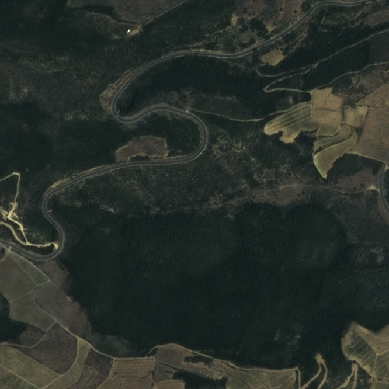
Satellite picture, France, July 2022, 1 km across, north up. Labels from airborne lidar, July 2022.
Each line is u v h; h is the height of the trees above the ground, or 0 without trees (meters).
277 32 6
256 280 7
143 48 8
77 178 0
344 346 0
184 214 11
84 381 0
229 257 8
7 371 0
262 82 9
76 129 5
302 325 7
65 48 6
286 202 0
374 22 0
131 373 0
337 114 0
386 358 0
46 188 6
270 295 6
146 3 0
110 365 0
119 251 9
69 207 6
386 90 0
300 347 6
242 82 7
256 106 6
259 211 9
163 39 6
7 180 5
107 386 0
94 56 6
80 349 0
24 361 0
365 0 0
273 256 5
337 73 6
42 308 0
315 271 8
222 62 6
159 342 6
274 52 0
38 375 0
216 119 6
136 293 6
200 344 6
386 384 0
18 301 0
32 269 0
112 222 6
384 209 0
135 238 6
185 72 7
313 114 0
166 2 0
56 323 0
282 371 0
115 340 0
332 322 6
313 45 8
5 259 0
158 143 0
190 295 6
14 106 7
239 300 10
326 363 5
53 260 0
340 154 0
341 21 6
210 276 10
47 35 7
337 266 14
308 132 6
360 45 7
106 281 5
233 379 0
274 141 6
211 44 6
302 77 6
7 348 0
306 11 6
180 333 6
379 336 0
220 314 8
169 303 6
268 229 7
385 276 8
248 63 7
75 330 0
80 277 6
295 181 0
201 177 6
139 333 7
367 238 7
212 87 5
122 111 7
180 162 0
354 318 6
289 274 7
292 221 6
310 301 9
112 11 8
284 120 0
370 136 0
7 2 6
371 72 0
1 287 0
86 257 8
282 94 6
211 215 5
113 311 7
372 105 0
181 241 6
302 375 6
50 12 9
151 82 10
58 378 0
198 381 6
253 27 6
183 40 8
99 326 7
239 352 8
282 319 8
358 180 0
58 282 0
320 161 0
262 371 0
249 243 8
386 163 0
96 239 6
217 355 8
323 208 8
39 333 0
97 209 8
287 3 0
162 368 0
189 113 0
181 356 0
